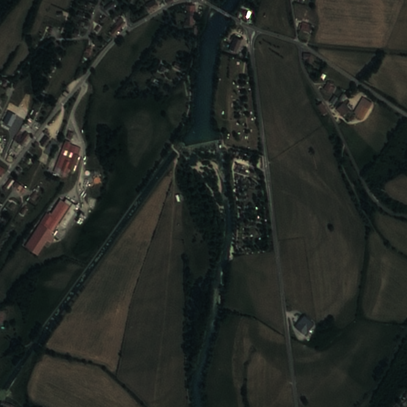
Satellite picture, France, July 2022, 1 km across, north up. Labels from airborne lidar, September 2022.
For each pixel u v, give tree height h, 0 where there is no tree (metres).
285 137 0
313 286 0
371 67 20
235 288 0
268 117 0
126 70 0
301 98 0
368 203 15
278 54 8
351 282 0
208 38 0
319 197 0
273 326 0
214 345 9
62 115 0
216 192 11
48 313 0
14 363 22
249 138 0
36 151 0
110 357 0
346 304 0
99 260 0
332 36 0
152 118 0
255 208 14
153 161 0
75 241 0
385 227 0
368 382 0
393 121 0
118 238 0
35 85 16
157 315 0
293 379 0
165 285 0
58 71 0
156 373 0
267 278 0
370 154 0
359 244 0
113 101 0
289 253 0
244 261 0
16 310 0
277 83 0
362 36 0
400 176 0
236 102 11
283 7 0
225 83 0
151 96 8
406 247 0
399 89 0
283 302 0
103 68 0
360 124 0
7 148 0
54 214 0
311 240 0
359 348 0
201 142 0
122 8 16
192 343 29
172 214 0
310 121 0
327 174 0
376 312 0
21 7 0
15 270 0
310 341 6
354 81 9
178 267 0
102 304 0
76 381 0
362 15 0
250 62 6
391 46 0
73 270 0
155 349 0
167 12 19
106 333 0
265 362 0
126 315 0
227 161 10
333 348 0
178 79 13
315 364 0
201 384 17
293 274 0
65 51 7
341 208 0
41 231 0
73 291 0
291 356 0
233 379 0
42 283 0
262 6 0
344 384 0
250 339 0
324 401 0
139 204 0
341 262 0
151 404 0
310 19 0
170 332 0
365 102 0
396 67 0
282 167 0
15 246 16
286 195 0
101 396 0
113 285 0
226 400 0
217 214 10
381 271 0
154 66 10
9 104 0
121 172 0
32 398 0
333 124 0
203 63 0
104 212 0
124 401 0
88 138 11
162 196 0
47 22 0
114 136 17
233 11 7
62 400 0
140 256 0
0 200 0
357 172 0
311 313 0
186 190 7
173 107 0
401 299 0
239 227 7
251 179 12
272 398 0
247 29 0
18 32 0
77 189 0
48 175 17
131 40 0
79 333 0
